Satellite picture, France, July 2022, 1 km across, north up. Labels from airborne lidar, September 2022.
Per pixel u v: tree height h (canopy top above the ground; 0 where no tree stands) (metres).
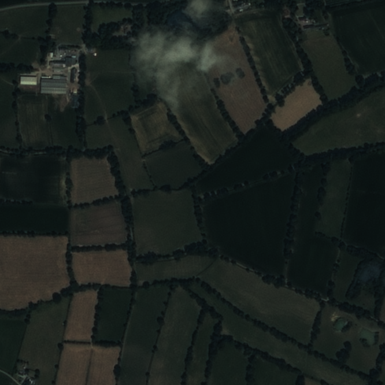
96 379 0
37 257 0
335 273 15
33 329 0
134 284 12
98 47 17
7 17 0
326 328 0
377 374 24
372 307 0
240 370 0
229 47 0
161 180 0
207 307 18
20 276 0
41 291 0
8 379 0
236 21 0
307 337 0
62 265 0
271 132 11
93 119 0
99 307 14
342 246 20
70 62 0
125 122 17
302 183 20
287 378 0
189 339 0
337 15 0
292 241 19
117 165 12
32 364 0
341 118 0
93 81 0
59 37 0
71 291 17
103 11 0
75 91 0
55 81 0
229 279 0
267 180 18
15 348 0
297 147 0
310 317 0
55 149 16
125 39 17
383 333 0
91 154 15
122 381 0
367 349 0
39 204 0
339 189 0
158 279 0
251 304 0
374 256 16
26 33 0
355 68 23
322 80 0
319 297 14
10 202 11
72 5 0
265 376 0
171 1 9
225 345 10
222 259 8
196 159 19
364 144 0
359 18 0
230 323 0
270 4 30
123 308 0
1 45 0
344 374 0
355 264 0
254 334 0
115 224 0
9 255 0
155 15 20
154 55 21
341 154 23
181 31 13
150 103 15
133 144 0
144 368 0
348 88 0
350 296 14
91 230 0
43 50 19
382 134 0
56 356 0
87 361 0
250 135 14
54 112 0
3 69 25
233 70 0
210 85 6
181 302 0
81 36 0
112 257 0
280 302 0
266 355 18
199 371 0
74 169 0
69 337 0
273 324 0
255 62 16
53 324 0
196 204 13
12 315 9
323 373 0
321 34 0
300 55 15
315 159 23
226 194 17
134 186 0
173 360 0
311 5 18
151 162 0
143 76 0
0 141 0
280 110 0
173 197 0
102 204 8
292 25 18
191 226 0
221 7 15
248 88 0
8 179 0
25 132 0
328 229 0
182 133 13
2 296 0
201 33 19
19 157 13
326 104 17
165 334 0
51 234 7
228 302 10
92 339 14
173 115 17
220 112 17
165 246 0
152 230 0
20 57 0
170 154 0
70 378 0
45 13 0
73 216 0
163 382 0
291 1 10
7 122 0
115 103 0
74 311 0
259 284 0
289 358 0
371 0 8
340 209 0
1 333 0
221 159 14
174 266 0
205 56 0
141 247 0
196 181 11
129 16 0
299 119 0
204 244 18
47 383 0
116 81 0
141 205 0
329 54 0
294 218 21
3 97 0
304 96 0
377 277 6
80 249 11
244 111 0
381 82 13
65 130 0
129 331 0
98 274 0
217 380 0
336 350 0
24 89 0
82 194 0
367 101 0
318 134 0
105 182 0
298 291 9
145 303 0
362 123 0
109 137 0
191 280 15
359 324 0
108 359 0
